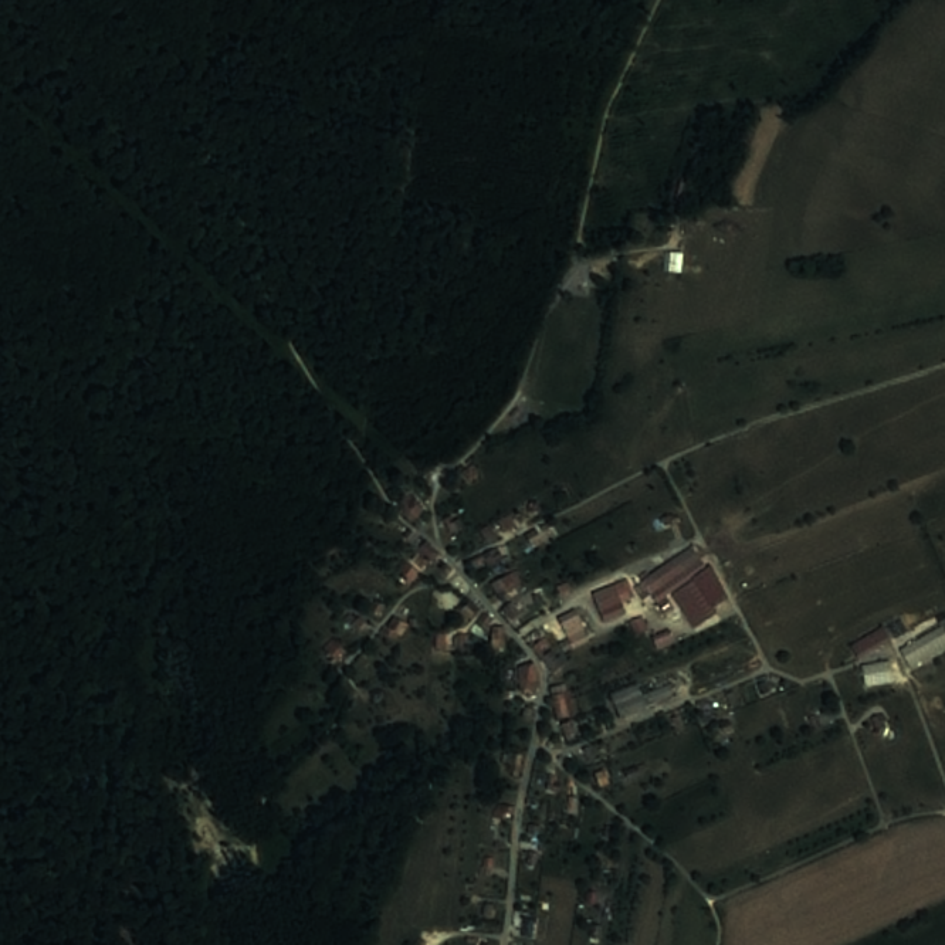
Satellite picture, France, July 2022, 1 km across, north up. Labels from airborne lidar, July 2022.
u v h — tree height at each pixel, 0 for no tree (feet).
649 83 0
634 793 0
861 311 0
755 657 0
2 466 86
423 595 0
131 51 100
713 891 33
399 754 74
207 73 41
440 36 32
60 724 81
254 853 0
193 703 96
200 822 0
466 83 26
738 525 0
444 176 20
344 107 35
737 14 0
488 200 20
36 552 93
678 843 0
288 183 85
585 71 34
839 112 0
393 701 0
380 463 70
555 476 0
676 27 0
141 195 115
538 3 93
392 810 79
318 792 0
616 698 0
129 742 91
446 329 29
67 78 108
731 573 0
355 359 79
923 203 0
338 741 46
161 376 90
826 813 0
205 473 49
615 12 104
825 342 0
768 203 0
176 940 109
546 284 31
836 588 0
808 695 0
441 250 81
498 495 0
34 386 105
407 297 85
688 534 0
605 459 0
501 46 32
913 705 0
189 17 101
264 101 80
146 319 111
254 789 62
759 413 0
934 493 0
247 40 24
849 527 0
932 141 0
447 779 75
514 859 0
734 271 0
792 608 0
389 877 70
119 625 87
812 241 0
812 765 0
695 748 0
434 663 0
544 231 41
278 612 31
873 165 0
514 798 0
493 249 57
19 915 95
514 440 42
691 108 0
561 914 0
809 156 0
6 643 98
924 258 0
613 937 26
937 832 0
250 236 79
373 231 90
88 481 86
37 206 105
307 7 30
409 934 0
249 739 71
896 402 0
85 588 91
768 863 0
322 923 53
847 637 0
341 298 84
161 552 43
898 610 0
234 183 85
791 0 0
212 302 96
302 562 34
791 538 0
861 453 0
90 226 112
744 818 0
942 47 0
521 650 23
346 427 82
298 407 86
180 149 92
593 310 0
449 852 34
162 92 116
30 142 106
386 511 63
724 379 0
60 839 101
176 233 99
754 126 68
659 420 0
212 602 58
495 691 25
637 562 0
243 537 35
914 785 0
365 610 54
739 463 0
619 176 0
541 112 21
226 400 89
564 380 0
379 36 22
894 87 0
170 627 107
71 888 100
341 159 82
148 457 104
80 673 97
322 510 46
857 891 0
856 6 0
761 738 26
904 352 0
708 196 58
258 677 64
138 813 123
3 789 97
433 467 33
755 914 0
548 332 0
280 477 55
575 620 0
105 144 116
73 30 103
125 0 96
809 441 0
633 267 0
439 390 26
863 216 0
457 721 32
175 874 109
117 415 112
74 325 101
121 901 97
